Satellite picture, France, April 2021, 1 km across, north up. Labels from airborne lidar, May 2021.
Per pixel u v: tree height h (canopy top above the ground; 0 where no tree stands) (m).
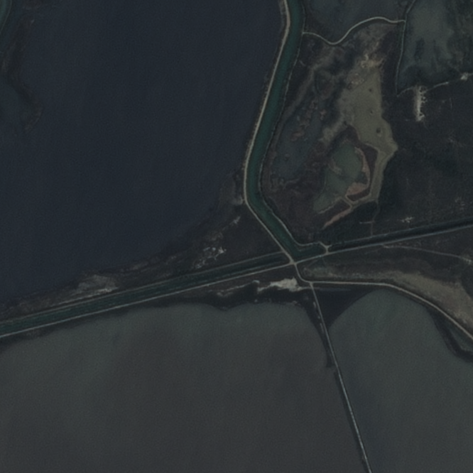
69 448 0
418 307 0
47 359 0
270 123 0
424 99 0
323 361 0
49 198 0
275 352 0
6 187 0
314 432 0
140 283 0
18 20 0
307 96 0
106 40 0
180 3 0
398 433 0
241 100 0
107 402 0
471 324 0
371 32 0
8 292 0
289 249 0
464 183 0
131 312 0
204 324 0
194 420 0
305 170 0
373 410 0
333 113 0
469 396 0
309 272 0
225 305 0
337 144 6
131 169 0
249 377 0
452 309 0
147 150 0
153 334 0
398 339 0
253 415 0
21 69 0
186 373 0
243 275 0
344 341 0
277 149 0
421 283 0
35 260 0
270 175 0
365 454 0
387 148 0
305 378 0
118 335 0
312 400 0
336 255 0
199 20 0
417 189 0
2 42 0
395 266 0
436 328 0
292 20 0
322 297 0
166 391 0
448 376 0
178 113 0
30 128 0
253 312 0
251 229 0
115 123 0
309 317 0
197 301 0
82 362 0
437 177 0
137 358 0
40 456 0
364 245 0
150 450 0
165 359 0
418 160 0
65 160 0
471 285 0
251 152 0
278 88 0
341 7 0
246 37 0
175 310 0
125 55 0
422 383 0
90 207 0
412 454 0
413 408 0
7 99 0
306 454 0
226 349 0
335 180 0
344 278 0
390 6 0
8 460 0
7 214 0
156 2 0
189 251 0
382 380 0
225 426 0
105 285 0
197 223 0
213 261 0
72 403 0
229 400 0
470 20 0
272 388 0
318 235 7
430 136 0
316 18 0
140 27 0
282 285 0
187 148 0
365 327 0
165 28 0
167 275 0
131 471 0
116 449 0
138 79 0
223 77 0
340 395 0
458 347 0
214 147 0
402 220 0
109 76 0
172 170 0
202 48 0
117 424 0
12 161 0
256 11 0
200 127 0
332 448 0
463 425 0
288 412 0
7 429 0
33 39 0
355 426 0
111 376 0
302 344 0
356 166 0
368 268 0
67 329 0
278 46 0
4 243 0
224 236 0
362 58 0
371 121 0
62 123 0
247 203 0
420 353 0
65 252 0
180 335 0
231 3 0
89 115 0
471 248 0
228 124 0
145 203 0
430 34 0
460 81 0
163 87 0
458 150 0
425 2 0
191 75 0
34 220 0
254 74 0
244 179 0
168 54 0
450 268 0
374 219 0
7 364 0
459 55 0
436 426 0
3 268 0
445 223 0
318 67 0
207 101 0
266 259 0
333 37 0
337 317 0
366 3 0
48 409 0
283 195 0
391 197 0
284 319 0
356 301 0
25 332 0
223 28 0
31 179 0
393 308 0
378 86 0
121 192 0
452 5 0
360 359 0
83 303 0
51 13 0
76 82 0
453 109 0
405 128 0
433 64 0
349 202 0
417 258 0
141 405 0
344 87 0
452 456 0
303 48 0
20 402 0
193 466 0
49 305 0
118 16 0
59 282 0
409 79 0
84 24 0
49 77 0
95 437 0
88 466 0
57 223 0
